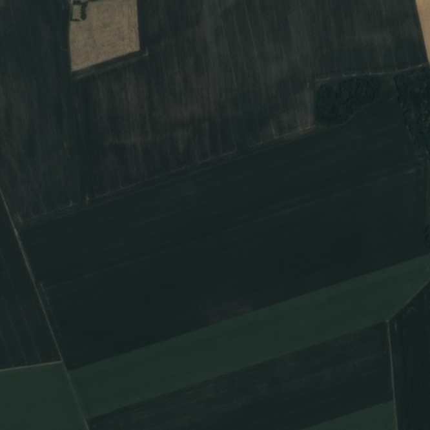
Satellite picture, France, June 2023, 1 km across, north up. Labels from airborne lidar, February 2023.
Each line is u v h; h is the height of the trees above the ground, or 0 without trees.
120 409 0
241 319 0
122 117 0
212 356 0
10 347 0
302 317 0
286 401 0
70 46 0
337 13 0
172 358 0
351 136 0
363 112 0
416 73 15
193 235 0
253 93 0
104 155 0
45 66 0
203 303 0
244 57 0
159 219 0
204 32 0
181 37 0
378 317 0
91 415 0
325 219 0
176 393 0
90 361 0
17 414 0
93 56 0
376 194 0
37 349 0
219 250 0
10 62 0
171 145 0
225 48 0
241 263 0
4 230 0
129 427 0
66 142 0
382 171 0
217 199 0
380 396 0
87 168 0
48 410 0
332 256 0
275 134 0
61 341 0
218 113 0
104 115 0
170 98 0
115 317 0
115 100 0
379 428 0
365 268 0
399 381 0
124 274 0
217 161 0
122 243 0
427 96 7
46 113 0
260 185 0
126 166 0
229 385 0
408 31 0
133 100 0
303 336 0
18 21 0
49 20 0
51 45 0
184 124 0
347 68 0
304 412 0
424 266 0
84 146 0
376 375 0
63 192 0
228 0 0
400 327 0
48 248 0
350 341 0
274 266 0
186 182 0
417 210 0
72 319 0
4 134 0
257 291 0
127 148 0
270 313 0
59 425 0
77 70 0
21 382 0
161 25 0
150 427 0
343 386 0
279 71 0
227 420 0
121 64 0
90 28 0
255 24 0
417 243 0
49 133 0
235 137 0
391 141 0
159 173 0
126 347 0
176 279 0
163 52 0
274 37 0
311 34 0
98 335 0
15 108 0
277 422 0
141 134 0
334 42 0
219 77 0
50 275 0
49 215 0
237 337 0
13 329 0
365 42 0
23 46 0
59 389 0
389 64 0
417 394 0
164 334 0
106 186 0
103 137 0
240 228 0
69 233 0
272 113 0
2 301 0
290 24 0
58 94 0
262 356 0
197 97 0
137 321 0
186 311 0
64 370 0
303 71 0
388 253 0
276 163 0
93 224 0
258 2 0
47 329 0
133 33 0
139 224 0
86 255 0
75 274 0
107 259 0
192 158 0
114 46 0
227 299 0
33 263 0
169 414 0
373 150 0
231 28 0
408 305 0
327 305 0
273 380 0
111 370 0
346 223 0
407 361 0
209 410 0
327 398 0
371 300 0
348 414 0
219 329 0
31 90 0
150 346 0
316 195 0
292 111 0
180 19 0
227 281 0
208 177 0
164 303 0
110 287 0
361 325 0
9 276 0
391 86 0
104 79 0
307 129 0
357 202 0
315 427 0
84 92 0
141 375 0
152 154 0
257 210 0
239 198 0
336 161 0
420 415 0
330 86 9
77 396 0
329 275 0
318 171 0
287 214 0
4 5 0
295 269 0
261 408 0
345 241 0
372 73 0
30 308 0
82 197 0
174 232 0
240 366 0
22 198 0
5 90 0
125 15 0
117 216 0
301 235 0
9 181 0
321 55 0
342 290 0
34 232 0
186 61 0
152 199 0
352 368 0
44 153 0
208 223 0
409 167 0
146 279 0
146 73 0
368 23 0
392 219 0
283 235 0
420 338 0
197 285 0
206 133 0
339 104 10
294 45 0
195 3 0
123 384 0
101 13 0
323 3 0
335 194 0
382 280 0
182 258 0
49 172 0
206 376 0
